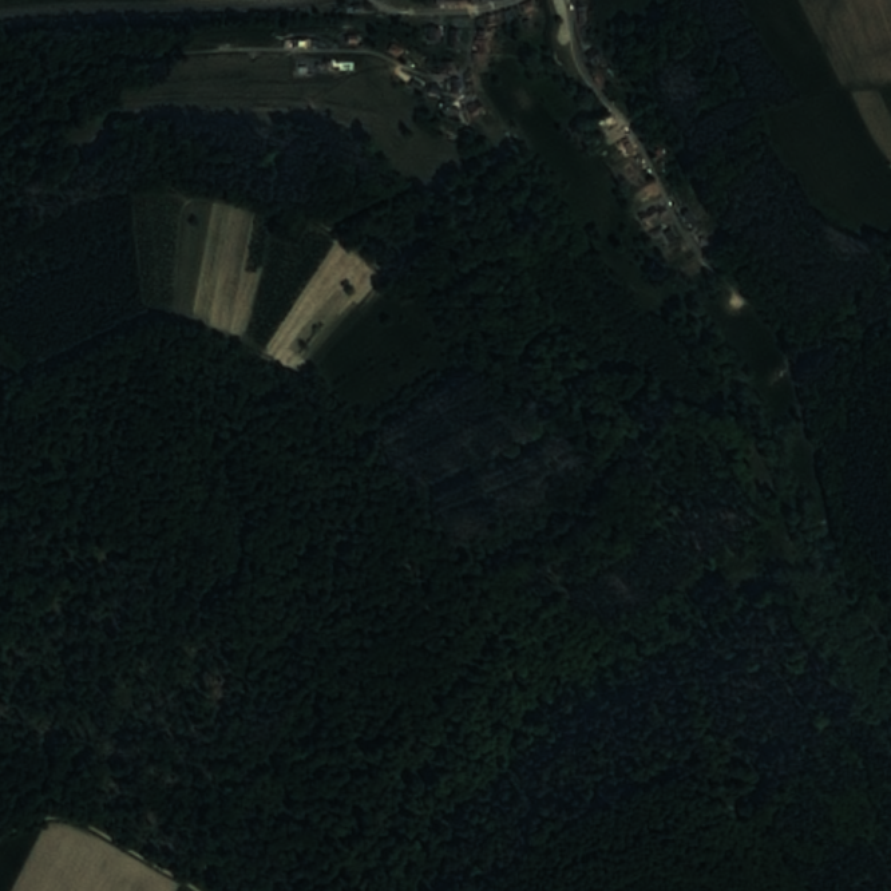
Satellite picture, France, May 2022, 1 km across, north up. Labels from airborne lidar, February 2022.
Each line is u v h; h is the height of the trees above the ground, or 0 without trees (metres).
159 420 31
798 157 0
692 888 18
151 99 0
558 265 7
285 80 0
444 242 26
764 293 27
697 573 22
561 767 32
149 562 26
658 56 20
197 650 26
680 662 31
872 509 23
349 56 0
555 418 35
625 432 35
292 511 31
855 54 0
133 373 29
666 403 33
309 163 28
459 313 15
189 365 28
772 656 35
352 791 35
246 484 28
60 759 30
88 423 27
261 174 30
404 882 37
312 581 22
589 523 27
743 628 35
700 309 25
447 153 0
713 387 15
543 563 34
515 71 0
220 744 28
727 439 34
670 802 27
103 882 0
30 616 23
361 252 24
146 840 23
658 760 31
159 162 19
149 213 0
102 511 30
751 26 8
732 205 23
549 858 28
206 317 0
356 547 31
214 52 0
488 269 32
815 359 35
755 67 25
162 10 0
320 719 28
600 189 0
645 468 25
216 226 0
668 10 21
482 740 35
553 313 28
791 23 0
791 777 16
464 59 0
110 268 17
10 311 15
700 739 34
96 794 29
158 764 31
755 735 27
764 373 0
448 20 0
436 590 30
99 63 23
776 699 35
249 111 0
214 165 29
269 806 6
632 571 30
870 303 33
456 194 34
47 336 14
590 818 29
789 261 26
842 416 19
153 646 29
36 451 29
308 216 21
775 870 20
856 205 0
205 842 28
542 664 33
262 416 30
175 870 24
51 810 22
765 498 26
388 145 0
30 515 25
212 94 0
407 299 10
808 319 24
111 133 19
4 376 16
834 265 23
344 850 38
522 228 31
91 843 0
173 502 26
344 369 0
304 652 28
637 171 0
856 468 25
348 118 0
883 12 0
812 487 0
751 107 28
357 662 29
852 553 19
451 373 5
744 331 0
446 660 22
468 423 28
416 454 29
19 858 0
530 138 0
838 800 20
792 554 0
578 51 0
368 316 0
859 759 16
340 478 31
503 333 31
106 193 19
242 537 24
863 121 0
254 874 28
